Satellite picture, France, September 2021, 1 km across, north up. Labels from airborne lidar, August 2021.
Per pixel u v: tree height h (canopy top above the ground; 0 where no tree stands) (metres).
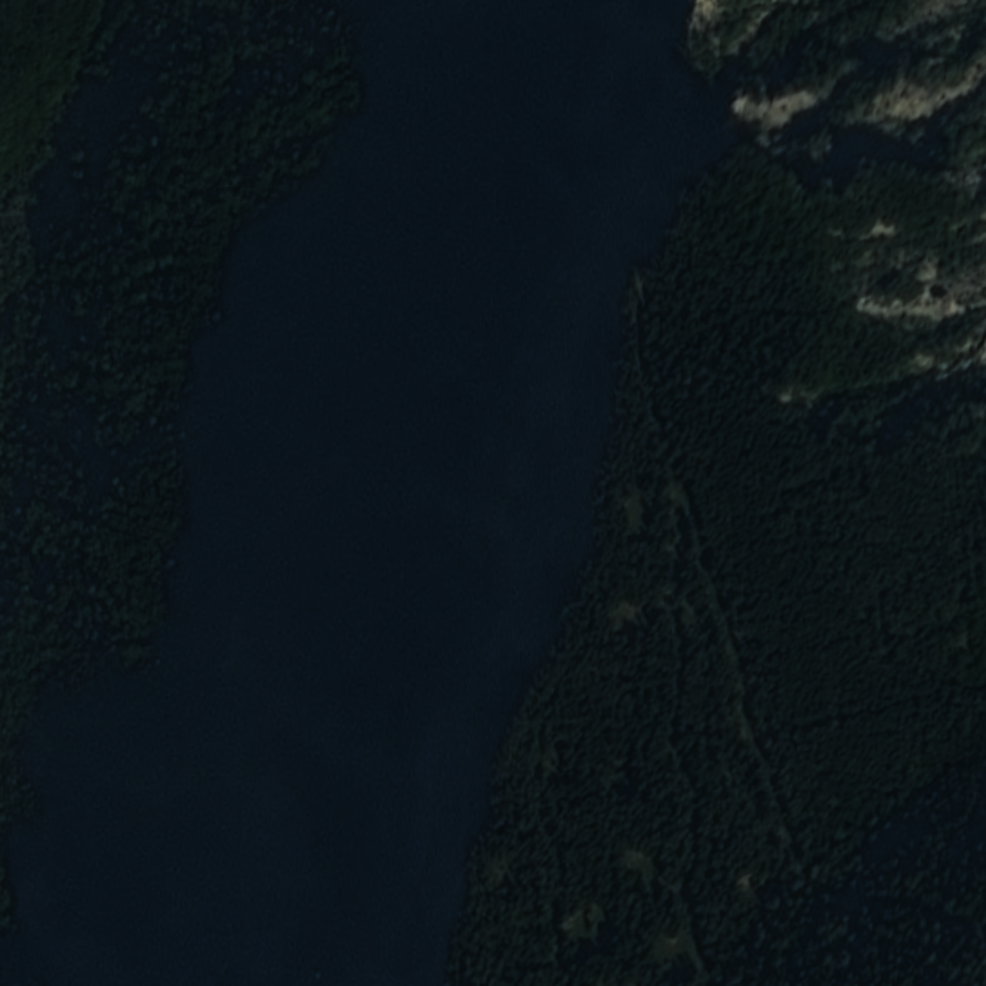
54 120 10
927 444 10
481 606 0
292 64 13
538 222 12
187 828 15
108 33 17
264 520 22
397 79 21
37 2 36
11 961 21
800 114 0
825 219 13
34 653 21
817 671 26
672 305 27
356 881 18
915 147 7
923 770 20
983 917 22
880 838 17
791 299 24
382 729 19
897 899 12
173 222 19
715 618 28
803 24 12
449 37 22
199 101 26
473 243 16
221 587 20
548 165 11
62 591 24
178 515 22
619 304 10
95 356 18
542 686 21
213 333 22
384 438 11
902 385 7
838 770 23
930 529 23
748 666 24
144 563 22
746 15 6
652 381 32
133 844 10
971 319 6
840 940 34
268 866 0
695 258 19
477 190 17
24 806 16
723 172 10
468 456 17
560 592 14
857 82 7
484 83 18
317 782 20
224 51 18
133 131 19
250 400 22
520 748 19
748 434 28
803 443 22
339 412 15
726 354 26
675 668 30
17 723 21
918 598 23
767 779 27
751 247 20
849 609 25
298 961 21
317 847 15
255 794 0
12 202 11
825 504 35
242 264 17
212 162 30
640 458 31
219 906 0
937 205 10
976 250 6
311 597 22
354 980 0
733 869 26
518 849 29
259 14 8
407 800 0
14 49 36
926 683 27
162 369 20
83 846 14
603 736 21
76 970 0
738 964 16
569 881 30
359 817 15
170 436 14
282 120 27
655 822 27
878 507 23
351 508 14
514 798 29
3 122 34
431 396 14
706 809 25
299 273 20
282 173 21
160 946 0
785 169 8
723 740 32
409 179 19
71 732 21
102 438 19
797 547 27
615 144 0
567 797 33
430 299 19
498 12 22
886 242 8
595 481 14
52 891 17
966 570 19
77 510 12
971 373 11
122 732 23
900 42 6
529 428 0
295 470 16
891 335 8
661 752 30
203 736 19
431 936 0
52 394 14
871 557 26
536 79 16
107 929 6
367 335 17
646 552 28
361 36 22
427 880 0
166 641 15
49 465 10
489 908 29
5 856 10
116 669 24
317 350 22
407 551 11
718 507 25
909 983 23
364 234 18
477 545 10
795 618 23
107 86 23
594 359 8
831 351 11
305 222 18
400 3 19
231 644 19
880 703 25
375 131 21
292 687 10
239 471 24
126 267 28
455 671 0
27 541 17
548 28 11
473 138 23
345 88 24
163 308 12
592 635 29
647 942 35
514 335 13
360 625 20
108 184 31
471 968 26
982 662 24
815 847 24
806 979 26
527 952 29
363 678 15
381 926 0
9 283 10
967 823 14
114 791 25
